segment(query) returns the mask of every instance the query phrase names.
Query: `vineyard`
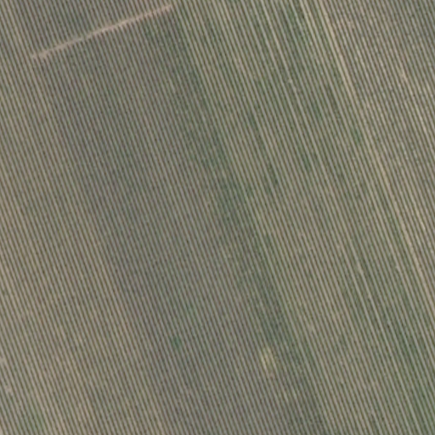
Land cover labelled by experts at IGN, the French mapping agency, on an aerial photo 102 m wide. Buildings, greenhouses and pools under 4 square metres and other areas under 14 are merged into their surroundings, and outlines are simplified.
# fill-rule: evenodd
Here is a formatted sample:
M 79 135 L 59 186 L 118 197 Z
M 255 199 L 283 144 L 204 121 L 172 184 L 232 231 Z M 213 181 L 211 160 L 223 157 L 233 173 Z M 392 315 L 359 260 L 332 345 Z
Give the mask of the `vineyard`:
M 0 0 L 0 435 L 435 435 L 435 0 Z

